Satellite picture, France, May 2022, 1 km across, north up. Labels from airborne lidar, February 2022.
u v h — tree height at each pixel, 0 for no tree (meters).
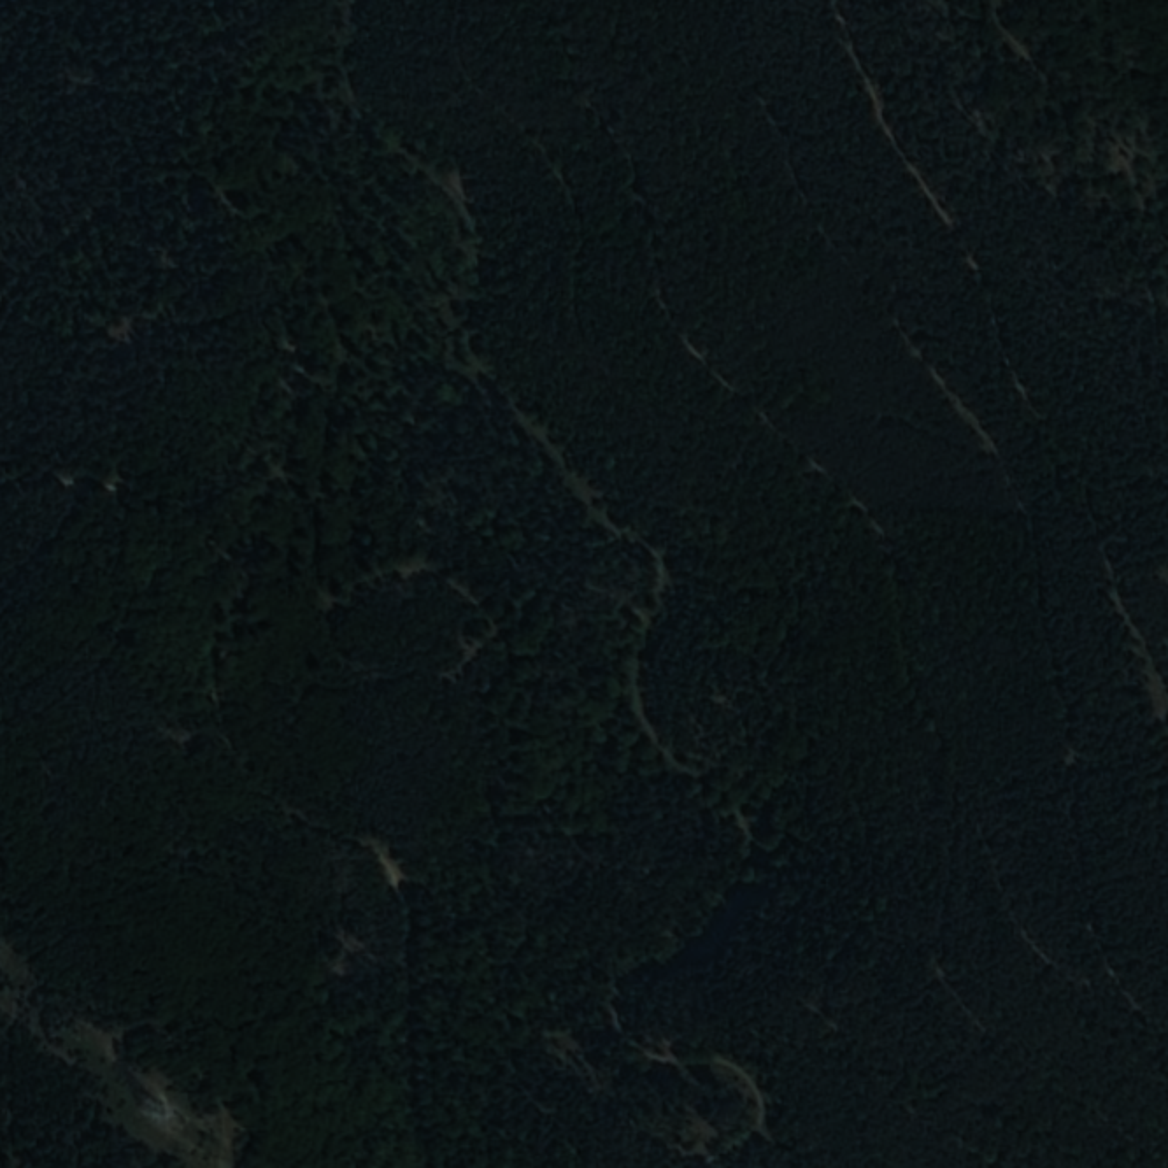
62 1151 14
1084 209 24
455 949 27
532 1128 28
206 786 22
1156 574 7
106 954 22
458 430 34
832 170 24
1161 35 20
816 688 16
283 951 21
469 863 23
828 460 14
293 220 15
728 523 22
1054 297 25
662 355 11
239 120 19
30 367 13
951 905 20
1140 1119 19
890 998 23
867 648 19
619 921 31
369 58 13
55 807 23
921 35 27
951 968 19
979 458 16
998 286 23
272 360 25
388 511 18
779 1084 15
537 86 13
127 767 24
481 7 14
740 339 19
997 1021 22
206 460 22
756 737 10
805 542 20
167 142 31
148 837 19
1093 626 21
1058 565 19
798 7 24
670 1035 21
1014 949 21
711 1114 23
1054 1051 19
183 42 33
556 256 18
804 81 22
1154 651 11
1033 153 8
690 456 16
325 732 24
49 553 24
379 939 27
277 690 24
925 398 16
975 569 19
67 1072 14
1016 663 17
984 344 22
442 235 8
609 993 12
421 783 18
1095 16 12
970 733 18
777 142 24
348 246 9
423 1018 26
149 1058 14
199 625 27
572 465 11
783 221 21
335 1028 20
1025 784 18
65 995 18
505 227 15
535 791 25
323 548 33
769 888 37
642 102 16
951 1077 18
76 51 17
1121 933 22
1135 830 19
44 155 31
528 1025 31
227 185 15
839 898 28
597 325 10
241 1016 21
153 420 22
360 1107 24
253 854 20
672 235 16
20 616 23
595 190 14
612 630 32
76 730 21
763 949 24
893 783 20
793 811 20
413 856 20
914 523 18
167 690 22
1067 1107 19
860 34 20
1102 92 11
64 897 23
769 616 20
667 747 9
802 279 16
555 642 27
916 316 20
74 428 26
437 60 15
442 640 9
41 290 12
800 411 17
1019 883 20
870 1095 25
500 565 13
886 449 16
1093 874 19
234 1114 20
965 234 17
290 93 15
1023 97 17
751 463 11
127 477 19
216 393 23
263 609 20
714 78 20
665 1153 27
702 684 12
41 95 29
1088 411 20
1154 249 6
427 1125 28
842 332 15
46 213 29
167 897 25
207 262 38
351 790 19
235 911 21
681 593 9
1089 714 19
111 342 21
